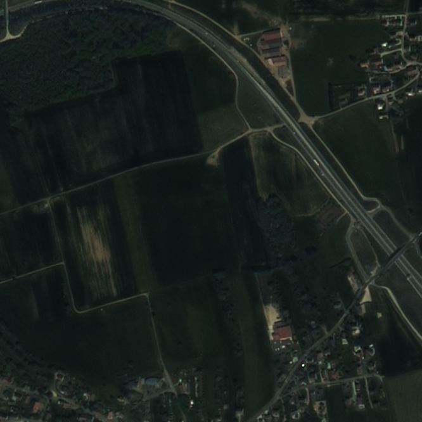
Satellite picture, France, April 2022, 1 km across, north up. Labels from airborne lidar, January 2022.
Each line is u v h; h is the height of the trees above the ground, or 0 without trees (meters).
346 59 0
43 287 0
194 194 0
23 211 0
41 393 20
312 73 0
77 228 0
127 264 0
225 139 0
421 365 0
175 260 0
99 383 0
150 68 0
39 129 0
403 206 0
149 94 0
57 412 0
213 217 0
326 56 0
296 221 0
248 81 0
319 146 0
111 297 0
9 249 0
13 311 0
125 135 0
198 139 0
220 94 0
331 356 13
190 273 0
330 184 0
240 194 0
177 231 0
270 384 0
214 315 0
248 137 0
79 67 23
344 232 0
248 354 0
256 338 0
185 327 0
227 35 0
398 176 0
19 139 0
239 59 0
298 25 0
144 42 25
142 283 0
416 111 0
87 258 0
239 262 0
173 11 0
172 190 0
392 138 0
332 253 0
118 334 0
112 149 0
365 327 7
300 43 0
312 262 0
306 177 0
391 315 0
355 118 0
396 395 0
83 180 0
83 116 0
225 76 0
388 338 0
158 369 0
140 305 0
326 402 0
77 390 7
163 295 0
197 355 0
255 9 0
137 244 0
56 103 0
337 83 0
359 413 0
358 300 12
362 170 0
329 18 0
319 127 0
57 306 0
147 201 0
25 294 0
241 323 0
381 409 0
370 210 0
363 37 0
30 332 0
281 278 0
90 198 0
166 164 0
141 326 0
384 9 0
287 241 19
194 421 0
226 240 0
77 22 24
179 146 0
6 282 0
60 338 0
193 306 0
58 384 0
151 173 0
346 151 0
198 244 0
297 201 0
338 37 0
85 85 16
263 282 0
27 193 0
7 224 0
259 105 0
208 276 0
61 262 0
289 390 6
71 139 0
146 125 0
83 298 0
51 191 0
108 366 0
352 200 0
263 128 0
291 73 0
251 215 0
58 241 0
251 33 0
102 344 0
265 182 0
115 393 0
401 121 0
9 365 15
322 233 0
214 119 0
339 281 0
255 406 0
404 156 0
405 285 0
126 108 0
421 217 0
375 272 0
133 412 6
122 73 0
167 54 0
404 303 0
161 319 0
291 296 0
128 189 0
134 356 0
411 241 0
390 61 0
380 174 0
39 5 0
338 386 0
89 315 0
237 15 0
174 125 0
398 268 0
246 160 0
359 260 0
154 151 0
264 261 0
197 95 0
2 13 0
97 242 0
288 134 0
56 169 0
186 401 13
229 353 0
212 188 0
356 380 0
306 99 0
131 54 19
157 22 21
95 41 22
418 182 0
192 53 0
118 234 0
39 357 0
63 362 0
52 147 0
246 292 0
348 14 0
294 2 0
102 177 0
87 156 0
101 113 0
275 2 0
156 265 0
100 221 0
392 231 0
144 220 0
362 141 0
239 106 0
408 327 0
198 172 0
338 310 0
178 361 0
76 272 0
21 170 0
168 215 0
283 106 0
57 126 0
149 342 0
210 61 0
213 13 0
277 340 0
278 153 0
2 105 0
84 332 0
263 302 0
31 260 0
